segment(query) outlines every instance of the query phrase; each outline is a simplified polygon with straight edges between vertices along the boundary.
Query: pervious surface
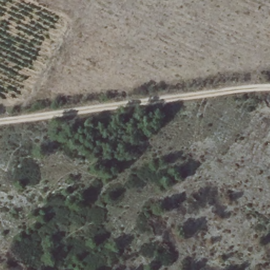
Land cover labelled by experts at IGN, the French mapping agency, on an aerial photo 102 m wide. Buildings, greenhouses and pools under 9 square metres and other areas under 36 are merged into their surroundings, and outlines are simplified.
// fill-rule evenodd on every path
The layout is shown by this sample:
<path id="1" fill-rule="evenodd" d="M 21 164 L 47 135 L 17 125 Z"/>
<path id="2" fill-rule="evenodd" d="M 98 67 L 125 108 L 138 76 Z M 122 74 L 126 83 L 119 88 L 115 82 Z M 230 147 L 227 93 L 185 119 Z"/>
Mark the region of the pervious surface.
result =
<path id="1" fill-rule="evenodd" d="M 0 126 L 54 118 L 70 111 L 90 114 L 116 110 L 127 107 L 127 104 L 135 108 L 139 104 L 146 105 L 148 104 L 147 97 L 134 95 L 122 101 L 99 103 L 61 109 L 21 115 L 0 117 Z"/>
<path id="2" fill-rule="evenodd" d="M 270 83 L 160 95 L 159 99 L 165 101 L 270 91 Z"/>

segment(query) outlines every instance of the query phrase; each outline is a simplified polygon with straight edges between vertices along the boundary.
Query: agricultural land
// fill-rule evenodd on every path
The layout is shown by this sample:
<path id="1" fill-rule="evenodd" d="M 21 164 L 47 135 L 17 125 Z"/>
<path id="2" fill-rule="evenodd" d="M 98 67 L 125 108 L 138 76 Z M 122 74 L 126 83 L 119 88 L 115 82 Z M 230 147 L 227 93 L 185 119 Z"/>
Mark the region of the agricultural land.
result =
<path id="1" fill-rule="evenodd" d="M 43 40 L 39 52 L 63 58 L 62 63 L 56 66 L 55 77 L 58 83 L 51 91 L 57 96 L 88 95 L 110 90 L 130 92 L 136 86 L 140 86 L 150 80 L 176 84 L 180 80 L 206 78 L 227 71 L 270 71 L 270 0 L 24 0 L 59 16 L 56 28 L 50 31 L 50 38 Z"/>

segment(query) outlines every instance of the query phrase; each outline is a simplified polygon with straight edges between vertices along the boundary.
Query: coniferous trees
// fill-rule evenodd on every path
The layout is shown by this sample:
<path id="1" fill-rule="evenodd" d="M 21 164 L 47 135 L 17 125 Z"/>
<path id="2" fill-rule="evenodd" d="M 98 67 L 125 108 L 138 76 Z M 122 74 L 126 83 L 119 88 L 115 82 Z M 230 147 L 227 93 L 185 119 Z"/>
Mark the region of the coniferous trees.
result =
<path id="1" fill-rule="evenodd" d="M 88 172 L 96 172 L 96 178 L 100 178 L 103 185 L 116 179 L 119 174 L 114 168 L 104 169 L 102 165 L 105 161 L 116 158 L 137 161 L 138 156 L 130 155 L 132 148 L 141 144 L 142 140 L 147 140 L 152 134 L 148 127 L 156 129 L 157 119 L 160 118 L 159 110 L 146 115 L 146 105 L 139 104 L 135 108 L 127 104 L 127 107 L 116 110 L 90 114 L 70 111 L 54 118 L 66 123 L 65 128 L 56 129 L 55 141 L 60 142 L 57 151 L 73 159 L 89 160 L 96 157 L 95 165 L 88 168 Z"/>
<path id="2" fill-rule="evenodd" d="M 217 270 L 207 264 L 207 258 L 197 262 L 195 253 L 184 259 L 181 270 Z"/>

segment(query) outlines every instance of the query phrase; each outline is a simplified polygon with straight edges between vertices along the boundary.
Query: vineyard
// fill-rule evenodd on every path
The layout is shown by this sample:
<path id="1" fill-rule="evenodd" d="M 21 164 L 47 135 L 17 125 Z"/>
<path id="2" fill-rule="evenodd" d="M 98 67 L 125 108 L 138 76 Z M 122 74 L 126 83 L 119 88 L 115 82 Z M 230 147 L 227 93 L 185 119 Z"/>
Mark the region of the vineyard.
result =
<path id="1" fill-rule="evenodd" d="M 63 58 L 39 52 L 43 40 L 50 38 L 50 31 L 56 28 L 59 16 L 24 0 L 0 0 L 0 117 L 21 115 L 21 105 L 30 103 L 31 100 L 55 99 L 57 96 L 51 91 L 58 83 L 55 77 L 56 66 L 62 63 Z"/>

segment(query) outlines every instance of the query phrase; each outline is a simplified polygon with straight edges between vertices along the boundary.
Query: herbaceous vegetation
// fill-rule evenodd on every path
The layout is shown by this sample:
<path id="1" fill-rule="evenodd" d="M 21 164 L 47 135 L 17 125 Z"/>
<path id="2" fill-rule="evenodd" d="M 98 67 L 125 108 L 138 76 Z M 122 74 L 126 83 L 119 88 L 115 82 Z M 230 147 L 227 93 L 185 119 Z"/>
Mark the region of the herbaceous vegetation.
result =
<path id="1" fill-rule="evenodd" d="M 102 165 L 104 169 L 114 168 L 119 174 L 116 179 L 103 185 L 100 192 L 103 193 L 113 185 L 126 184 L 133 169 L 141 168 L 144 163 L 162 157 L 177 151 L 182 151 L 184 156 L 190 154 L 193 141 L 202 141 L 207 137 L 216 144 L 212 148 L 214 151 L 226 155 L 234 142 L 244 140 L 243 132 L 249 127 L 250 113 L 259 103 L 265 103 L 266 107 L 270 104 L 270 91 L 165 101 L 148 104 L 146 105 L 146 115 L 159 110 L 160 118 L 157 119 L 156 129 L 148 127 L 152 134 L 147 140 L 142 140 L 141 144 L 132 148 L 130 155 L 138 156 L 137 161 L 116 158 L 105 161 Z"/>
<path id="2" fill-rule="evenodd" d="M 137 252 L 143 244 L 162 240 L 162 236 L 153 232 L 143 233 L 135 226 L 147 201 L 163 199 L 163 192 L 152 181 L 143 188 L 127 190 L 121 200 L 122 209 L 107 206 L 110 221 L 104 223 L 105 229 L 115 238 L 122 234 L 133 235 L 131 250 Z"/>
<path id="3" fill-rule="evenodd" d="M 54 118 L 0 126 L 0 254 L 11 249 L 14 237 L 22 232 L 18 227 L 22 223 L 32 228 L 37 223 L 33 211 L 46 205 L 47 196 L 74 186 L 74 181 L 69 177 L 71 174 L 81 174 L 80 179 L 88 188 L 96 178 L 96 172 L 88 172 L 88 168 L 95 165 L 96 157 L 89 160 L 73 159 L 57 151 L 60 142 L 55 141 L 56 129 L 65 128 L 66 123 Z"/>

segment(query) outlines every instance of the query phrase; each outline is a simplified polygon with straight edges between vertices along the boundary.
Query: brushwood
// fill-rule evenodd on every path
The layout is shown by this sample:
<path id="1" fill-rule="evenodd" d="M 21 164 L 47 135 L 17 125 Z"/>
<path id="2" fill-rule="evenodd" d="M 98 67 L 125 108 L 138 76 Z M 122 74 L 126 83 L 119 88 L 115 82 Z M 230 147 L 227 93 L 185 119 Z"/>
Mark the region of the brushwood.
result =
<path id="1" fill-rule="evenodd" d="M 122 234 L 115 238 L 105 229 L 104 223 L 110 221 L 107 206 L 122 209 L 121 200 L 127 190 L 143 188 L 152 181 L 163 192 L 184 180 L 175 172 L 173 163 L 163 162 L 162 157 L 144 163 L 141 168 L 133 169 L 126 184 L 113 185 L 103 193 L 100 192 L 103 185 L 100 178 L 96 178 L 88 188 L 80 179 L 81 174 L 71 174 L 69 177 L 74 181 L 74 186 L 47 196 L 46 205 L 33 211 L 37 223 L 32 228 L 22 223 L 18 227 L 22 232 L 14 237 L 11 249 L 0 254 L 0 270 L 114 270 L 113 265 L 119 262 L 120 257 L 123 261 L 135 261 L 136 257 L 142 255 L 146 257 L 148 265 L 134 266 L 131 270 L 159 270 L 161 266 L 173 265 L 178 258 L 175 237 L 172 234 L 175 224 L 167 227 L 166 221 L 162 221 L 161 214 L 166 212 L 161 209 L 163 199 L 147 201 L 135 226 L 143 233 L 153 232 L 162 236 L 162 240 L 143 244 L 137 252 L 131 250 L 133 235 Z"/>
<path id="2" fill-rule="evenodd" d="M 130 92 L 110 90 L 88 95 L 86 100 L 90 103 L 99 103 L 122 101 L 134 95 L 147 97 L 140 86 L 136 86 Z"/>
<path id="3" fill-rule="evenodd" d="M 55 99 L 31 100 L 30 103 L 21 105 L 21 115 L 61 109 L 61 105 Z"/>

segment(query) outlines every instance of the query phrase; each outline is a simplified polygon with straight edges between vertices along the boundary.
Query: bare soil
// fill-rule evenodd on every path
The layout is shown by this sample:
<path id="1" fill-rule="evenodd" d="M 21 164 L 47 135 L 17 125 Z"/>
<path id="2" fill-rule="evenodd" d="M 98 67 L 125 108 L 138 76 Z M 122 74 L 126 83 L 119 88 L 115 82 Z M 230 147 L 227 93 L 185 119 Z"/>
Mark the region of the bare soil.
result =
<path id="1" fill-rule="evenodd" d="M 140 86 L 147 97 L 148 104 L 165 101 L 159 99 L 160 95 L 270 83 L 270 71 L 227 71 L 206 78 L 180 80 L 176 84 L 150 80 Z"/>
<path id="2" fill-rule="evenodd" d="M 234 142 L 226 155 L 214 151 L 212 148 L 216 144 L 207 137 L 202 141 L 193 141 L 190 154 L 184 156 L 182 151 L 177 151 L 162 157 L 163 162 L 173 163 L 175 172 L 184 180 L 163 192 L 163 199 L 161 209 L 166 212 L 161 214 L 162 221 L 166 221 L 167 227 L 175 224 L 172 234 L 175 237 L 178 258 L 173 265 L 161 266 L 159 270 L 181 270 L 184 259 L 195 253 L 197 262 L 207 258 L 207 264 L 217 270 L 270 270 L 270 104 L 266 107 L 265 103 L 259 103 L 250 113 L 249 127 L 243 132 L 244 140 Z"/>
<path id="3" fill-rule="evenodd" d="M 55 99 L 61 105 L 61 109 L 99 103 L 90 103 L 86 100 L 88 95 L 57 96 Z"/>
<path id="4" fill-rule="evenodd" d="M 131 270 L 134 266 L 148 265 L 146 257 L 142 255 L 136 257 L 135 261 L 123 261 L 120 257 L 119 262 L 113 265 L 114 270 Z"/>

